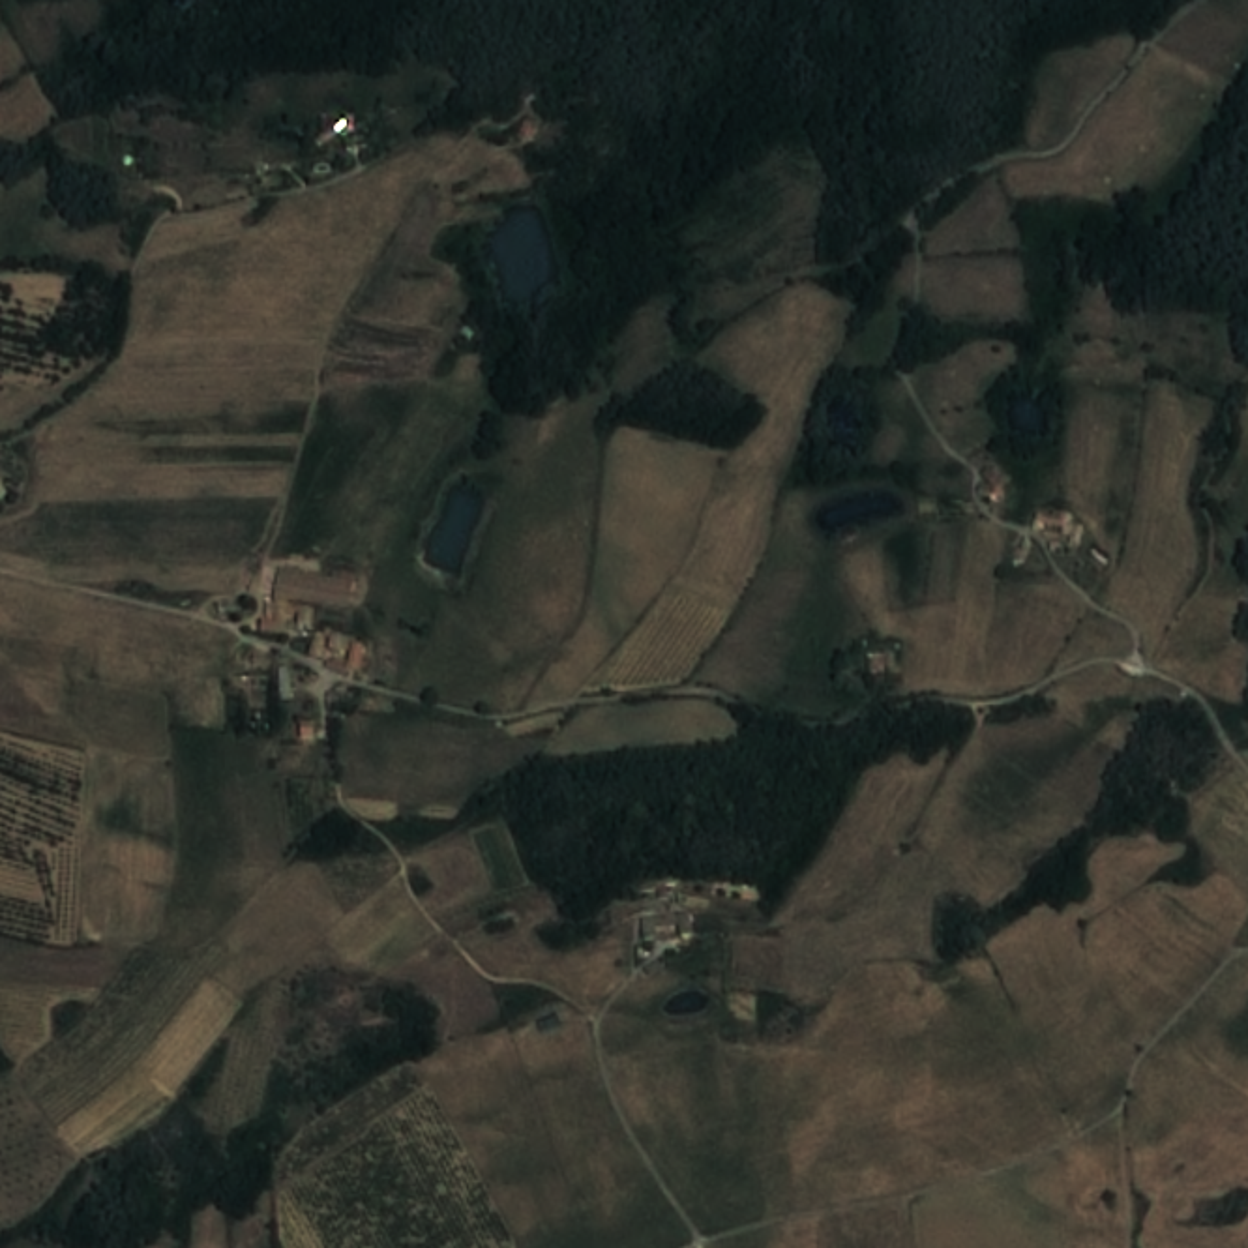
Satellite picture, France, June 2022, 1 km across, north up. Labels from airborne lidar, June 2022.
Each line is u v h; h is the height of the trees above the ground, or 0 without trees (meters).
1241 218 20
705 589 0
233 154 0
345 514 0
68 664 0
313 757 0
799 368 0
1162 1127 0
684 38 16
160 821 0
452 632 0
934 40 14
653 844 10
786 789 11
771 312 0
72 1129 0
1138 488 0
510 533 0
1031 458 11
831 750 12
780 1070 0
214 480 0
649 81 20
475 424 0
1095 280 14
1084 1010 0
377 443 0
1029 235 8
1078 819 0
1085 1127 0
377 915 0
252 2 14
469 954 0
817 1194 0
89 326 8
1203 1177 0
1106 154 0
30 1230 7
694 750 10
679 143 23
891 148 16
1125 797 7
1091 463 0
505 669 0
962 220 0
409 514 0
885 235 18
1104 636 0
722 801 8
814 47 12
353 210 0
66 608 0
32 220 0
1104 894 0
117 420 0
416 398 0
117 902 0
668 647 0
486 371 7
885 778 0
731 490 0
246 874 0
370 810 0
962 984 0
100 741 0
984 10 10
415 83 0
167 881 0
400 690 0
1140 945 0
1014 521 0
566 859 7
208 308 0
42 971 0
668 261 7
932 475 0
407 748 0
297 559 0
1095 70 0
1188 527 0
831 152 12
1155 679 0
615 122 8
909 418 0
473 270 10
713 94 15
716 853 11
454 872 0
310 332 0
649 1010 0
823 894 0
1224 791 0
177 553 0
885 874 0
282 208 0
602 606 0
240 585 0
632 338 0
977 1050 0
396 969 0
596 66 16
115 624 0
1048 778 0
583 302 7
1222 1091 0
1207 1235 0
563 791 14
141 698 0
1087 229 10
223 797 0
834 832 0
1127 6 12
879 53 23
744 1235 0
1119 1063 0
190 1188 7
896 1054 0
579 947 0
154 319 0
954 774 0
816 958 0
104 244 0
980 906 0
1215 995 0
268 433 0
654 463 0
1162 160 0
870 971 0
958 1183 0
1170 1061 0
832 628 0
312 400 0
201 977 0
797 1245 0
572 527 0
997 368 0
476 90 11
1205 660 0
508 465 0
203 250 0
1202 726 10
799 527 0
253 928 0
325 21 11
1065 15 14
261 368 0
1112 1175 0
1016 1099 0
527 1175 0
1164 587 0
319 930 0
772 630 0
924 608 0
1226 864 0
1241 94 21
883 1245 0
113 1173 14
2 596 0
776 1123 0
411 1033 9
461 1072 0
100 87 11
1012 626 0
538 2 11
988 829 0
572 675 0
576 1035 0
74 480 0
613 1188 0
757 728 11
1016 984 0
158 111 10
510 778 10
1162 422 0
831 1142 0
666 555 0
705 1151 0
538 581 0
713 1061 0
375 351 0
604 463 0
